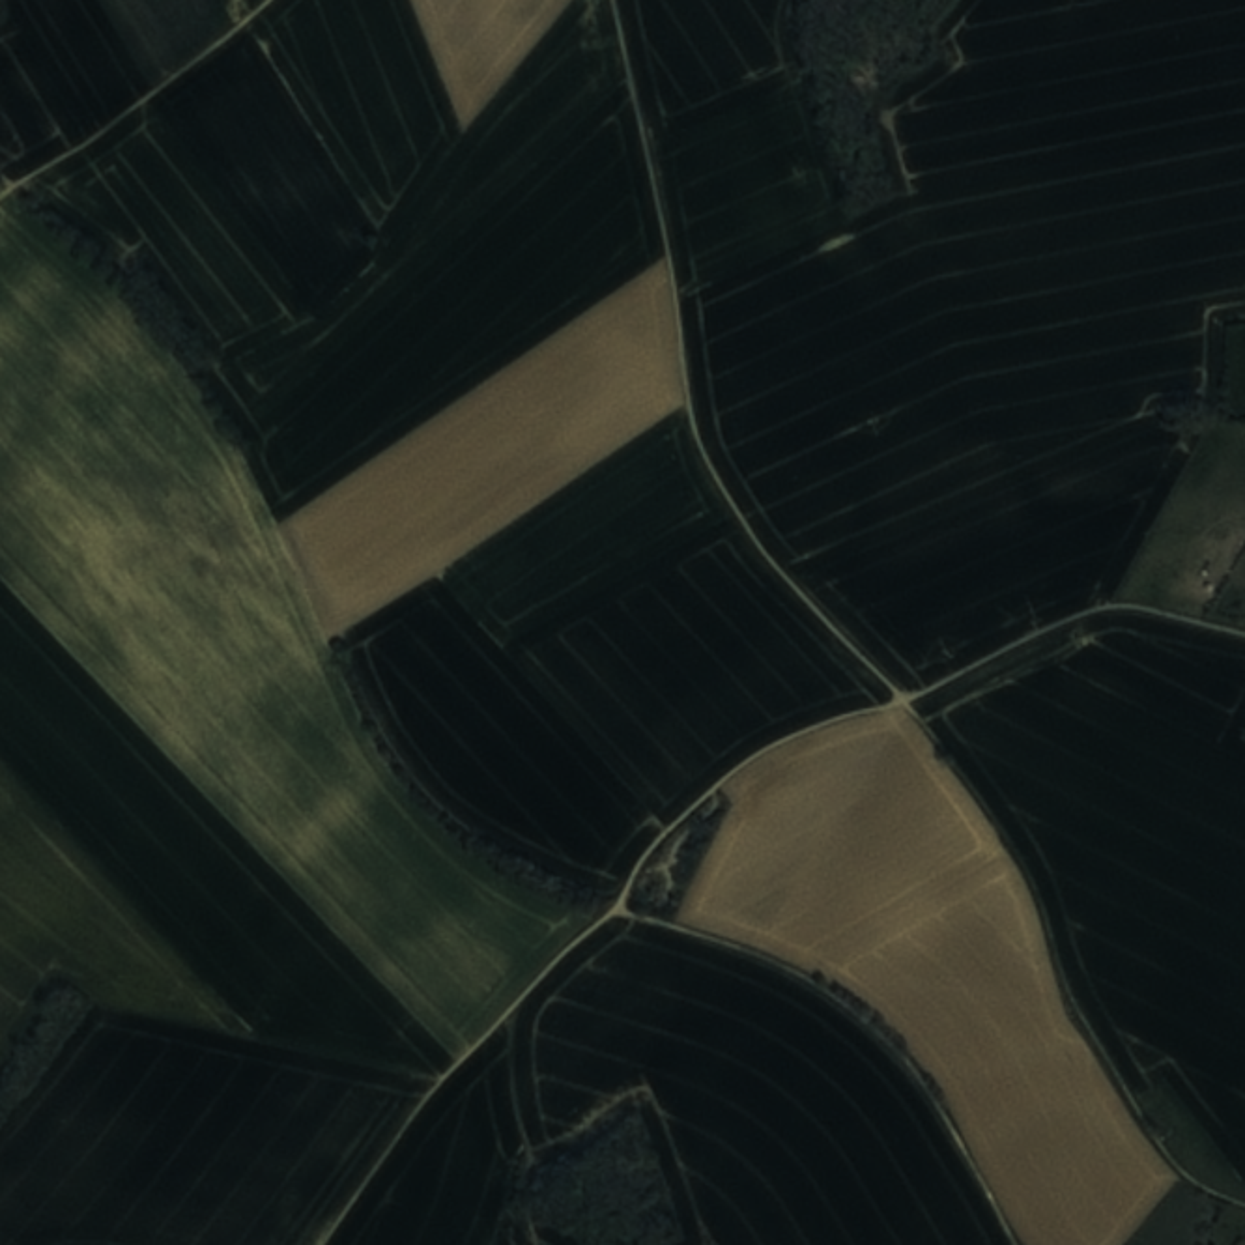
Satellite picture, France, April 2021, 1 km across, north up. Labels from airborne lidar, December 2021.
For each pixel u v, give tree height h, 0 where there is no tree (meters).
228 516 0
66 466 0
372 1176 0
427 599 0
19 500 0
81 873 0
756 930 0
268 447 0
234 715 0
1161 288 0
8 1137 0
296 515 0
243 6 0
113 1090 0
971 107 0
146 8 0
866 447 0
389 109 0
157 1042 0
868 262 0
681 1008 0
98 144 0
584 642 0
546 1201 20
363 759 0
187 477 0
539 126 0
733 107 0
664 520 0
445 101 0
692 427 0
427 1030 0
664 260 0
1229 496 0
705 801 0
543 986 0
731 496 0
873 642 0
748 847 0
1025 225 0
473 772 0
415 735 0
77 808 0
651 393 0
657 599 0
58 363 0
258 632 0
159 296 19
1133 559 0
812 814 0
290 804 0
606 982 0
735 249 0
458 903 0
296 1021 0
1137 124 0
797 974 0
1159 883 0
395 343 0
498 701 0
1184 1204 0
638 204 0
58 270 0
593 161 0
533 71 0
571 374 0
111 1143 0
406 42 0
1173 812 0
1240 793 0
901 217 0
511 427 0
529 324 0
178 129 0
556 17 0
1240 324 7
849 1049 0
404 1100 0
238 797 0
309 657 0
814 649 0
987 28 0
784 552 0
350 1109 0
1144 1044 0
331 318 0
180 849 0
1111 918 0
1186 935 0
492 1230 0
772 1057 0
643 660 0
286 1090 0
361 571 0
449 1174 0
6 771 0
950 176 0
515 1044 0
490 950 0
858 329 0
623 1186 23
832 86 25
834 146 22
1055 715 0
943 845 0
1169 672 0
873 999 0
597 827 0
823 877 0
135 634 0
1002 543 0
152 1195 0
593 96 0
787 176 0
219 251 0
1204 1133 0
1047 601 0
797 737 0
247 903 0
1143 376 0
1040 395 0
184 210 0
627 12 0
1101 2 0
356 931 0
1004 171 0
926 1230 0
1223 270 0
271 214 0
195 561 0
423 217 0
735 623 0
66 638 0
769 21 0
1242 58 0
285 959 0
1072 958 0
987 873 0
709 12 0
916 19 19
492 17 0
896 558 0
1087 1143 0
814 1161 0
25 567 0
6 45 0
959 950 0
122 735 0
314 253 0
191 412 0
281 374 0
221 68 0
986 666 0
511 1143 0
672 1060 0
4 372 0
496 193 0
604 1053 0
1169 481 0
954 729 0
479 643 0
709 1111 0
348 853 0
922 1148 0
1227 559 0
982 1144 0
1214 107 0
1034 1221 0
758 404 0
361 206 0
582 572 0
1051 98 0
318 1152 0
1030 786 0
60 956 0
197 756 0
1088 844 0
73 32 0
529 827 0
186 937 0
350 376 0
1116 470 0
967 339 0
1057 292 0
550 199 0
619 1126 7
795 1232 0
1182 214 0
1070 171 0
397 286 0
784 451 0
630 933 0
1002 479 0
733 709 0
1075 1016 0
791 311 0
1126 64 0
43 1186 0
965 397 0
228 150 0
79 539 0
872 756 0
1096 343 0
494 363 0
